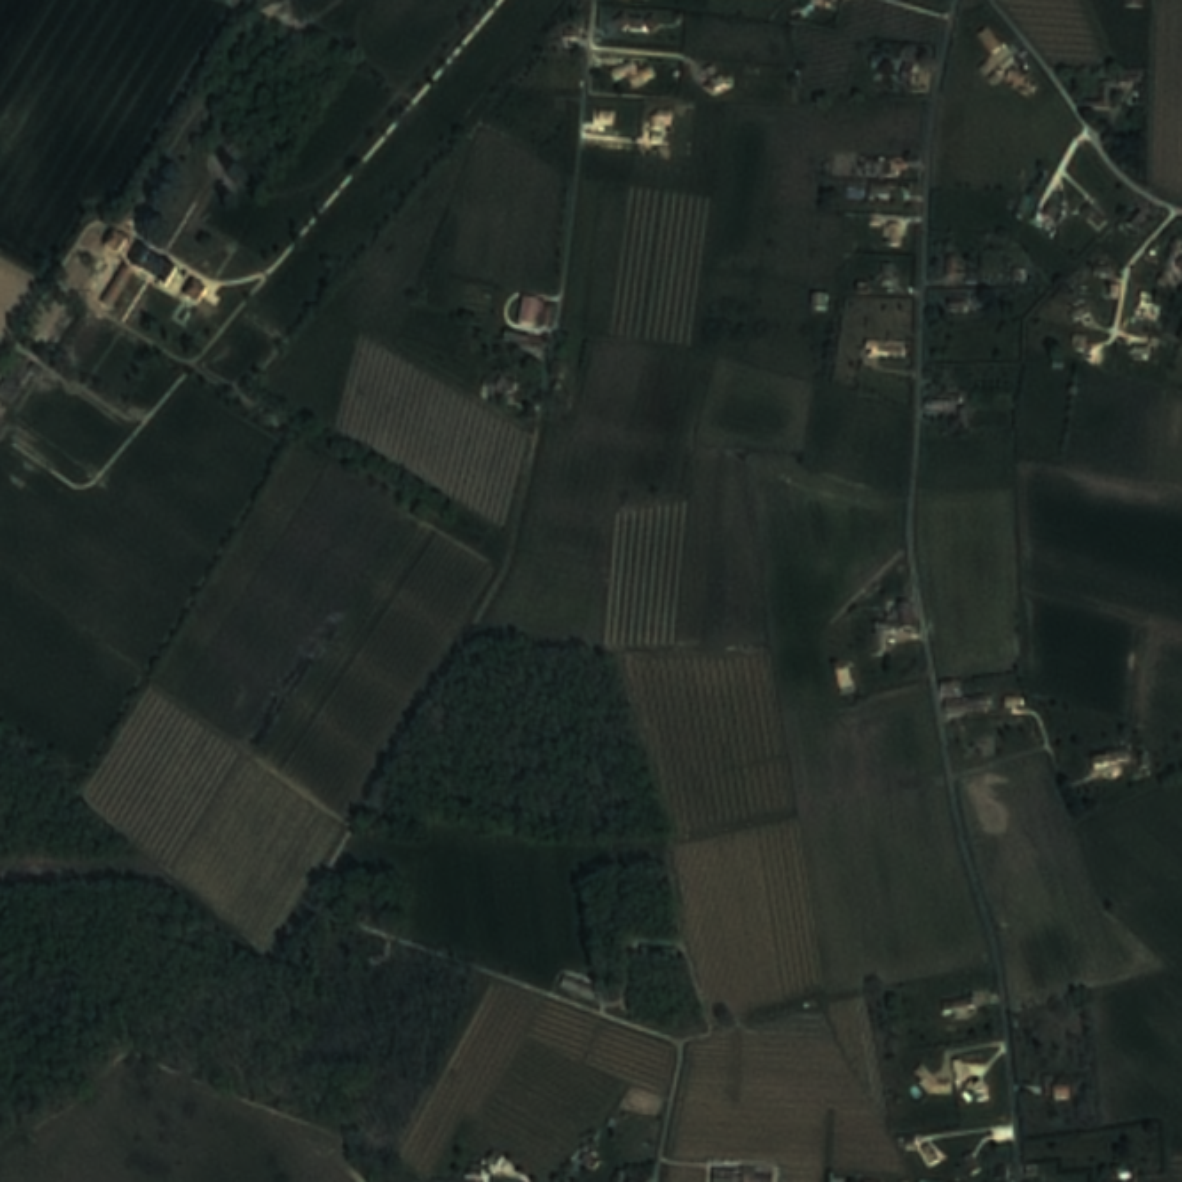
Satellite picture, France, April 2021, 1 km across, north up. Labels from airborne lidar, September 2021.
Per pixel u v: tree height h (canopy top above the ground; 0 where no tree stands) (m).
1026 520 0
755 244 0
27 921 23
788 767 0
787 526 0
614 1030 0
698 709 0
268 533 0
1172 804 0
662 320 0
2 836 19
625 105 0
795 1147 0
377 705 0
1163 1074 0
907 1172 0
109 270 0
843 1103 0
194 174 0
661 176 0
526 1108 0
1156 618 0
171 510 0
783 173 0
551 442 0
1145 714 0
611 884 19
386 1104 21
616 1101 0
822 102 12
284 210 0
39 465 0
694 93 0
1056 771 0
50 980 12
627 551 0
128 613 0
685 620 0
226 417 0
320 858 0
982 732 0
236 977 20
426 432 0
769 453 0
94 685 0
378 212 0
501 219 0
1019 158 0
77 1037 20
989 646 0
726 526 0
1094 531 0
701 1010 11
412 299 10
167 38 0
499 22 0
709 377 0
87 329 0
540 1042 0
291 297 0
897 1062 8
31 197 0
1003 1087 0
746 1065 0
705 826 0
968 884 0
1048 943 0
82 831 19
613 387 0
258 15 14
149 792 0
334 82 16
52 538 0
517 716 19
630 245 0
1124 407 0
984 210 0
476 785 20
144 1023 17
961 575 0
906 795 0
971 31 0
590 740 17
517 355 14
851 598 0
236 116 14
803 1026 0
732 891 0
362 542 0
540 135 0
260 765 0
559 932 0
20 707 0
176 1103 0
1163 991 0
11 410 0
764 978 0
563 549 0
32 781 17
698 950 0
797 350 0
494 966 0
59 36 0
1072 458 0
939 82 0
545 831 20
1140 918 0
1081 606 0
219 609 0
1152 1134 8
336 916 25
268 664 0
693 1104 0
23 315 14
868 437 0
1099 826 0
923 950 0
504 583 0
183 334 0
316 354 0
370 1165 22
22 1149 0
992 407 0
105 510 0
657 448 0
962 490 0
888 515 0
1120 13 0
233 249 0
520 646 19
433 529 0
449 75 9
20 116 0
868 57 12
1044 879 0
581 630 0
